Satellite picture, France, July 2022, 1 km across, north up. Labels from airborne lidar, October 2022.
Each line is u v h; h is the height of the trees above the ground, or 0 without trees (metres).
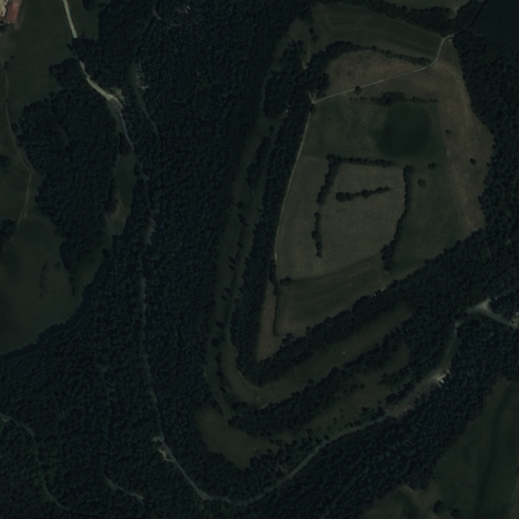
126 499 30
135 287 31
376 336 0
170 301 25
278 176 15
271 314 0
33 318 0
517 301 19
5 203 0
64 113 26
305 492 9
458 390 19
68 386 23
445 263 18
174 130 29
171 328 18
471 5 11
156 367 18
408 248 0
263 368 10
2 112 0
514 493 0
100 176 25
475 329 23
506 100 16
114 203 21
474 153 0
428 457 23
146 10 22
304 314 0
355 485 8
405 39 0
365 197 12
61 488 30
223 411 7
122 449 29
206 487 10
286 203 0
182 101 25
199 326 26
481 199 14
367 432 10
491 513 0
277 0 8
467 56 18
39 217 0
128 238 16
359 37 0
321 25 0
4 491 19
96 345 27
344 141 0
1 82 0
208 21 17
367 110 0
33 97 0
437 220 0
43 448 26
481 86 22
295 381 0
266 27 12
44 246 0
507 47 18
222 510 32
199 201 26
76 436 34
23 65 0
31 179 0
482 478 0
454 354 0
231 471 26
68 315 0
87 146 32
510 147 28
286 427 17
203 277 26
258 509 18
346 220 0
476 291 18
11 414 21
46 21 0
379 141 0
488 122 14
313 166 0
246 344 17
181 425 32
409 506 0
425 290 22
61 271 0
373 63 0
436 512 14
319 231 6
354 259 0
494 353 19
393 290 17
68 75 29
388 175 0
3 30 10
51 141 21
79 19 0
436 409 18
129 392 18
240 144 26
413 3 0
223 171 19
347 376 21
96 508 34
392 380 10
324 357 0
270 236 17
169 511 19
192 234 25
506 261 22
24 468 29
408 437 32
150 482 15
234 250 0
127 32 25
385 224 0
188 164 29
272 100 18
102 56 31
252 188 17
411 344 24
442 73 0
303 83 16
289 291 0
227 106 22
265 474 26
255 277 21
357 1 14
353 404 0
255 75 13
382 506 0
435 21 11
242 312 21
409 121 0
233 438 0
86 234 36
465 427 15
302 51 13
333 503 24
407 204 10
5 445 25
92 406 20
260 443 0
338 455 6
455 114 0
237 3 23
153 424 16
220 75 27
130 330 23
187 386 24
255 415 13
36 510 21
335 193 0
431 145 0
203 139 25
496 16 21
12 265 0
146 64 7
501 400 0
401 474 26
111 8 19
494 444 0
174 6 16
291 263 0
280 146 19
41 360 26
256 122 17
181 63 20
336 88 0
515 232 24
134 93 7
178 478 16
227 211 20
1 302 0
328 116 0
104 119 24
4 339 0
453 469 0
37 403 32
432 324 21
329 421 0
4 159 17
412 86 0
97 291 12
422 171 0
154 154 26
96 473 33
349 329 20
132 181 0
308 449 20
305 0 13
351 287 0
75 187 34
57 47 0
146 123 20
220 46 19
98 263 0
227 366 0
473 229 0
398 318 0
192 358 26
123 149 19
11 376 22
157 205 28
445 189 0
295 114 13
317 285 0
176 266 25
